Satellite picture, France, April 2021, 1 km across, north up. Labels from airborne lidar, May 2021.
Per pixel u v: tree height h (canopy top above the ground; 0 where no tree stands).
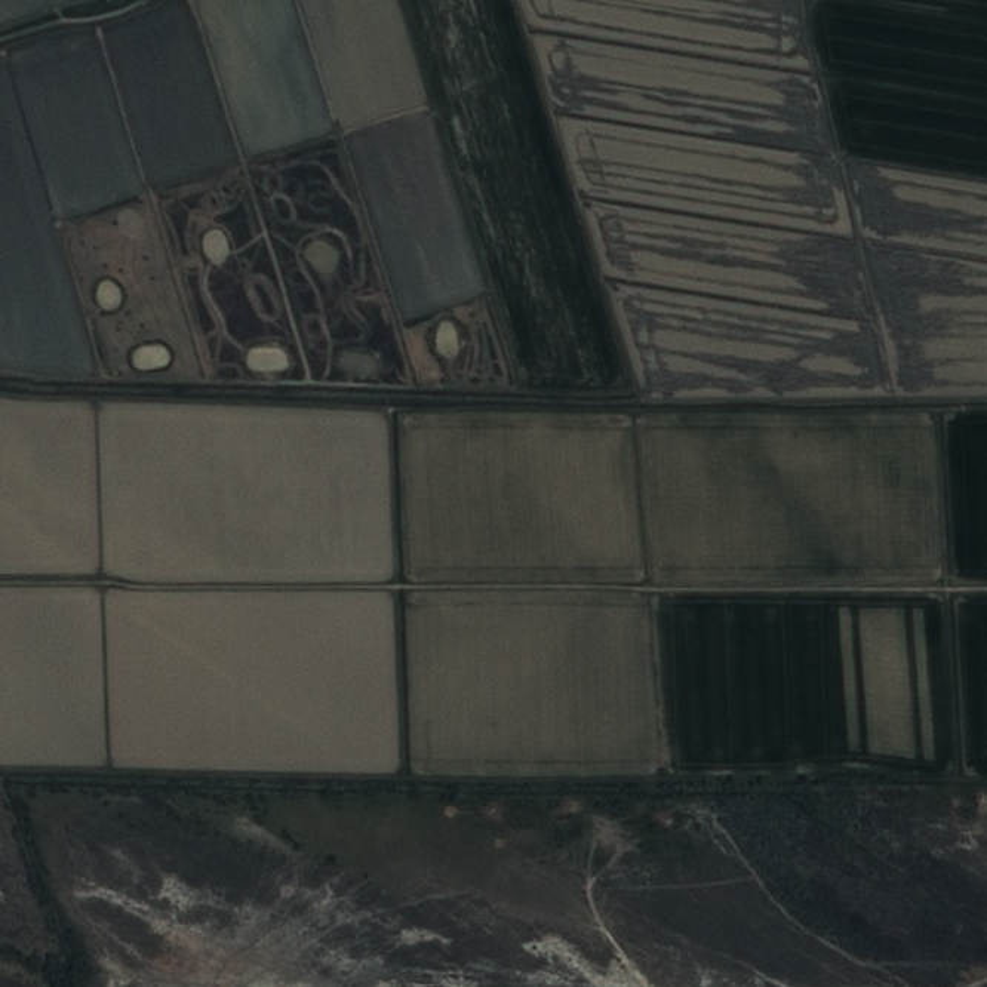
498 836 0
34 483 0
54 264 0
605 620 0
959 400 0
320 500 0
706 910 0
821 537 0
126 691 0
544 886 0
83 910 0
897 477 0
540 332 0
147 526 0
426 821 0
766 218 0
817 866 0
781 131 0
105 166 0
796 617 0
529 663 0
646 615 0
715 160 0
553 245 0
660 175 0
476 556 0
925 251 0
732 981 0
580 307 0
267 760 0
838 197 0
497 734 0
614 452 0
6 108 0
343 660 0
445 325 0
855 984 0
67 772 0
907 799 0
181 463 0
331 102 0
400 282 0
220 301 0
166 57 0
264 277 0
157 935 0
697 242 0
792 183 0
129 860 0
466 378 0
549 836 0
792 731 0
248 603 0
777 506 0
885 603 0
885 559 0
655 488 0
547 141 0
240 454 0
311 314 0
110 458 0
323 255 0
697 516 0
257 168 0
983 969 0
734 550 0
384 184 0
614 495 0
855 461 0
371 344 0
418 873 0
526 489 0
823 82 0
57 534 0
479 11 0
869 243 0
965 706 0
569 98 0
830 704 0
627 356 0
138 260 0
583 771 0
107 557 0
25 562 0
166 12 0
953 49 0
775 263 0
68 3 0
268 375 0
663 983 0
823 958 0
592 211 0
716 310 0
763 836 6
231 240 0
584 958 0
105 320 0
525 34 0
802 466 0
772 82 0
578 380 0
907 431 0
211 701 0
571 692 0
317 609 0
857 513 0
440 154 0
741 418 0
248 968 0
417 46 0
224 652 0
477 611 0
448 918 0
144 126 0
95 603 0
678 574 0
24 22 0
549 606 0
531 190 0
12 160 0
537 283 0
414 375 0
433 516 0
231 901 0
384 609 0
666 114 0
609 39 0
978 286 0
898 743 0
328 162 0
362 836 0
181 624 0
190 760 0
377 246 0
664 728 0
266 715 0
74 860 0
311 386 0
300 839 0
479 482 0
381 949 0
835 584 0
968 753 0
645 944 0
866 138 0
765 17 0
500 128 0
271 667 0
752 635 0
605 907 0
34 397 0
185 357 0
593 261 0
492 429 0
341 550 0
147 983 0
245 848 0
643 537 0
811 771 0
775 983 0
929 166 0
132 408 0
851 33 0
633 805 0
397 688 0
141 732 0
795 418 0
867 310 0
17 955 5
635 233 0
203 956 0
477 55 0
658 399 0
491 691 0
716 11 0
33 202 0
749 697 0
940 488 0
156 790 0
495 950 0
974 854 0
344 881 0
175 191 0
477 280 0
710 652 0
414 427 0
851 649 0
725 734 0
